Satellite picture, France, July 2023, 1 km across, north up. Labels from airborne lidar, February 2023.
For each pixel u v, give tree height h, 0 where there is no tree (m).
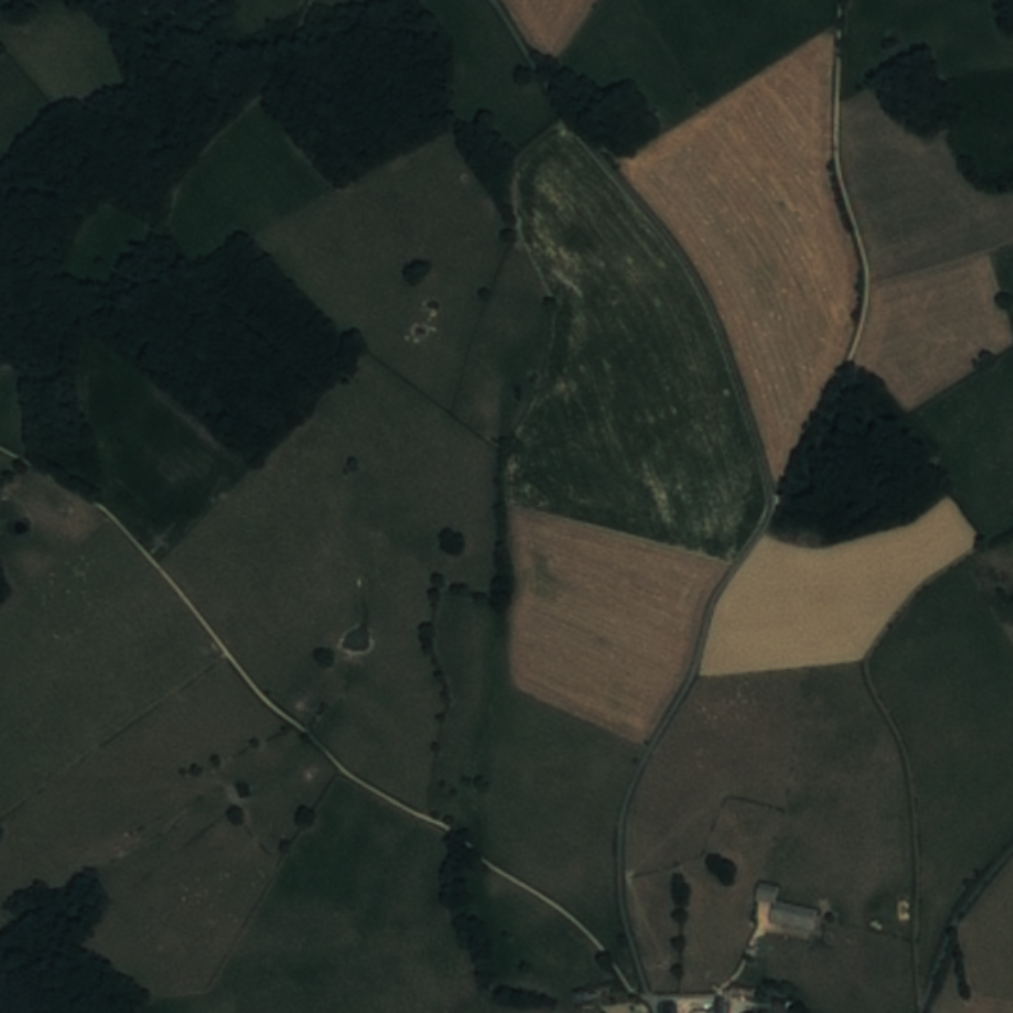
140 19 22
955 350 0
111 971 18
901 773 0
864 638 0
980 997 0
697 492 0
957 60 0
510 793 0
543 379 0
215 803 0
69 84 0
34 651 0
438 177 0
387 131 23
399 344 0
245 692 0
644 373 0
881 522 22
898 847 0
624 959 0
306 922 0
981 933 0
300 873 0
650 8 0
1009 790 0
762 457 0
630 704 0
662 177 0
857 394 22
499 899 0
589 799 0
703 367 0
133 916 0
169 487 0
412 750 0
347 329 0
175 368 23
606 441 0
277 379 26
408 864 0
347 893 0
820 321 0
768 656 0
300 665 0
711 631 0
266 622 0
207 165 0
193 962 0
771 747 0
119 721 0
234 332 27
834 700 0
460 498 0
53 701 0
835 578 0
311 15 9
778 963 0
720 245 0
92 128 21
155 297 27
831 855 0
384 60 24
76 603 0
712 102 0
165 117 19
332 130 23
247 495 0
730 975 0
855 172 0
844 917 0
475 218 0
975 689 0
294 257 0
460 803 0
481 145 23
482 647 0
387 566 0
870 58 0
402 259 0
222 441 25
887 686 0
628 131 26
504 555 8
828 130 0
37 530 0
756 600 0
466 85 0
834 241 0
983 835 0
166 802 0
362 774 0
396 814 0
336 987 0
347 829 0
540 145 0
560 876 0
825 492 25
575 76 14
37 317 21
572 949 0
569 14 0
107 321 24
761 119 0
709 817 0
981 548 12
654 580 0
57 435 19
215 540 0
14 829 0
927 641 0
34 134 16
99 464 7
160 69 23
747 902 0
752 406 0
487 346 0
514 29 0
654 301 0
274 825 0
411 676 0
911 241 0
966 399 0
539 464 0
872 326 0
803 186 0
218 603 0
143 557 0
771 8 0
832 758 0
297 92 22
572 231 0
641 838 0
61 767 0
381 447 0
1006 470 0
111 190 22
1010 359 0
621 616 0
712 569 0
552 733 0
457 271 0
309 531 0
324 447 0
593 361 0
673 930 0
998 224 0
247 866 0
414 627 0
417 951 0
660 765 0
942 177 0
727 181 0
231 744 0
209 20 21
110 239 0
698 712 0
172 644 0
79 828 0
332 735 0
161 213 22
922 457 25
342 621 0
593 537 0
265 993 0
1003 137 0
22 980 11
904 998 0
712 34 0
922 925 0
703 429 0
